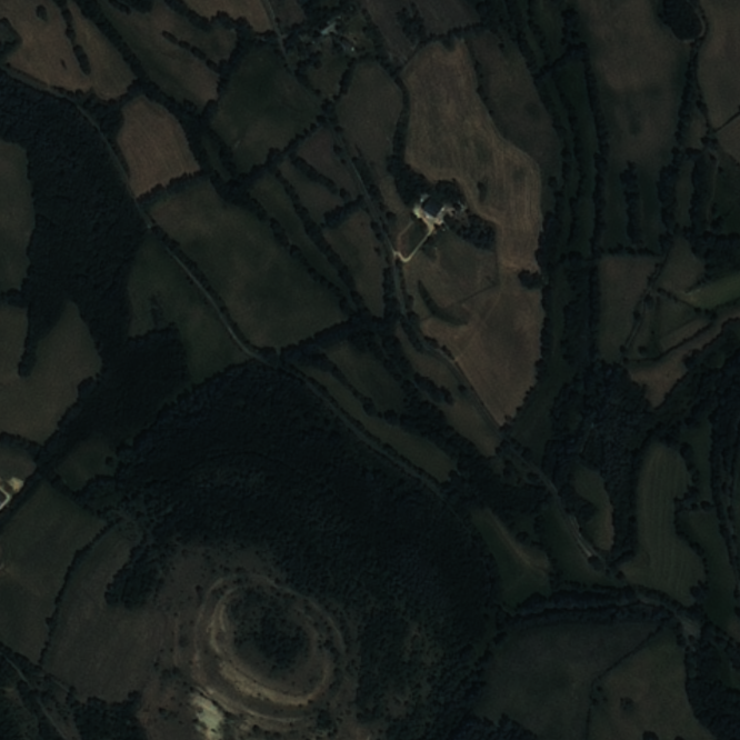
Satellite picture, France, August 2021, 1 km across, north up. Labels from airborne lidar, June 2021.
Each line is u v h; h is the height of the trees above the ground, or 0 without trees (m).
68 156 16
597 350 10
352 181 0
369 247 0
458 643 12
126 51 14
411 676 7
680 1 12
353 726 0
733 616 0
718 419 15
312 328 0
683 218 0
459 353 0
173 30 0
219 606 0
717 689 22
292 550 8
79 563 8
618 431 17
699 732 0
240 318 0
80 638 0
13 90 13
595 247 14
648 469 0
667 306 0
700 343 0
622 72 0
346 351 0
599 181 11
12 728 8
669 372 0
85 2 19
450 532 15
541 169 0
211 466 9
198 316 0
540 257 15
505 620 12
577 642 0
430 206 0
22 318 0
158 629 0
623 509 11
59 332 0
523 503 8
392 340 15
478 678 11
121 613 0
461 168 0
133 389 15
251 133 0
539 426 0
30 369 14
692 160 14
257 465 10
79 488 0
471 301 0
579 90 0
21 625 0
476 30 12
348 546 10
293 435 10
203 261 0
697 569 0
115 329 15
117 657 0
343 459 12
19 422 0
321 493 11
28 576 0
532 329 0
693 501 12
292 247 8
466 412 0
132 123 0
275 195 0
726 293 0
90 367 0
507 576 0
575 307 8
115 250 14
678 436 14
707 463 0
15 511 11
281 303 0
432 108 0
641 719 0
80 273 9
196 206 0
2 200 0
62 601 9
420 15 7
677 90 0
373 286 0
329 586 8
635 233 18
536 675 0
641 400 21
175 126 0
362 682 9
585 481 0
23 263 0
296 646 6
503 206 0
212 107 15
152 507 7
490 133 0
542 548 9
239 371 10
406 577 18
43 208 14
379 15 0
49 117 16
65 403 0
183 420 13
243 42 16
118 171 11
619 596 13
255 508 13
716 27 0
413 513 15
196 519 9
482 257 0
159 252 0
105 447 0
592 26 0
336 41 9
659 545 0
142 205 13
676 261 0
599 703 8
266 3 0
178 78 0
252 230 0
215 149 0
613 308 0
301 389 16
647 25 0
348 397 0
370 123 0
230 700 0
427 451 0
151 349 15
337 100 10
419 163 0
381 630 7
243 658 0
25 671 8
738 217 0
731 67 0
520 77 0
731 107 0
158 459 21
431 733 14
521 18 19
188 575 0
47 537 0
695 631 0
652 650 0
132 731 9
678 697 0
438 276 0
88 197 14
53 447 16
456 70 0
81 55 11
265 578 0
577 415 0
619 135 0
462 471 15
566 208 11
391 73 6
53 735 8
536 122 0
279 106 0
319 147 0
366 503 12
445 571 13
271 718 0
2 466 0
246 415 10
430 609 10
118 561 0
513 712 0
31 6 0
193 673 0
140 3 16
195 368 0
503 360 0
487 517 0
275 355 15
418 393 12
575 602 16
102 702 7
